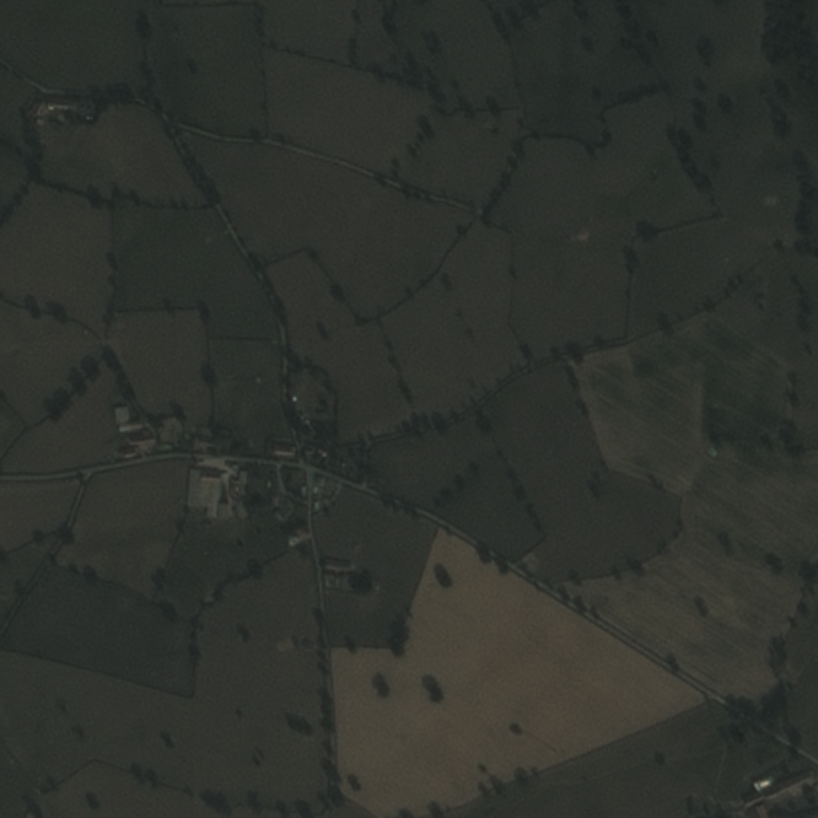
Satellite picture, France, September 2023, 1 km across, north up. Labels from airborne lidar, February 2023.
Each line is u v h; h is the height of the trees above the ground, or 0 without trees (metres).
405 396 13
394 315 0
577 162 0
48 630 0
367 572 10
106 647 0
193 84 0
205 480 0
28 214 0
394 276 0
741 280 10
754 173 0
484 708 0
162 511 0
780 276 0
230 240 0
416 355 0
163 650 0
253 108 0
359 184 0
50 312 15
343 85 0
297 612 0
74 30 0
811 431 0
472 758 0
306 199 0
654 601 0
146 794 0
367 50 0
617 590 0
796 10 10
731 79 0
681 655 0
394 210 0
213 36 0
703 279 0
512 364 0
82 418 0
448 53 0
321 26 0
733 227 0
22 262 0
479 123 0
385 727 0
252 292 0
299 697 0
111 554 0
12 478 0
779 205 0
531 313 0
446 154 0
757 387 0
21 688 0
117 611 0
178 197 0
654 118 0
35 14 0
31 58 0
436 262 0
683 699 0
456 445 0
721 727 0
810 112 0
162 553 0
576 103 0
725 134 0
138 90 0
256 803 16
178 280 0
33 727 0
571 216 0
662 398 0
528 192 0
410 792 0
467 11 0
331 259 0
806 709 0
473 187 0
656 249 0
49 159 0
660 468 0
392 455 0
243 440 0
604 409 0
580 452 0
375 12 0
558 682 0
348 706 0
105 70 0
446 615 0
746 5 0
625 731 0
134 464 0
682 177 0
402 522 0
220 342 0
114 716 0
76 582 0
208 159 0
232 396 0
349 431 0
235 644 0
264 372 0
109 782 0
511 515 0
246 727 0
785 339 0
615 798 0
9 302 0
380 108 0
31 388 0
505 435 0
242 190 0
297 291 0
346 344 0
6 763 0
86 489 0
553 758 0
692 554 0
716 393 0
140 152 0
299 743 0
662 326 16
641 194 0
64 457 0
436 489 0
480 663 0
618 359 0
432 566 0
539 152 0
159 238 0
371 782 0
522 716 0
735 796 0
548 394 0
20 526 0
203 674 0
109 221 0
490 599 0
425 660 0
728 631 0
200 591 0
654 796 0
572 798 0
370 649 0
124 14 0
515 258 0
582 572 0
